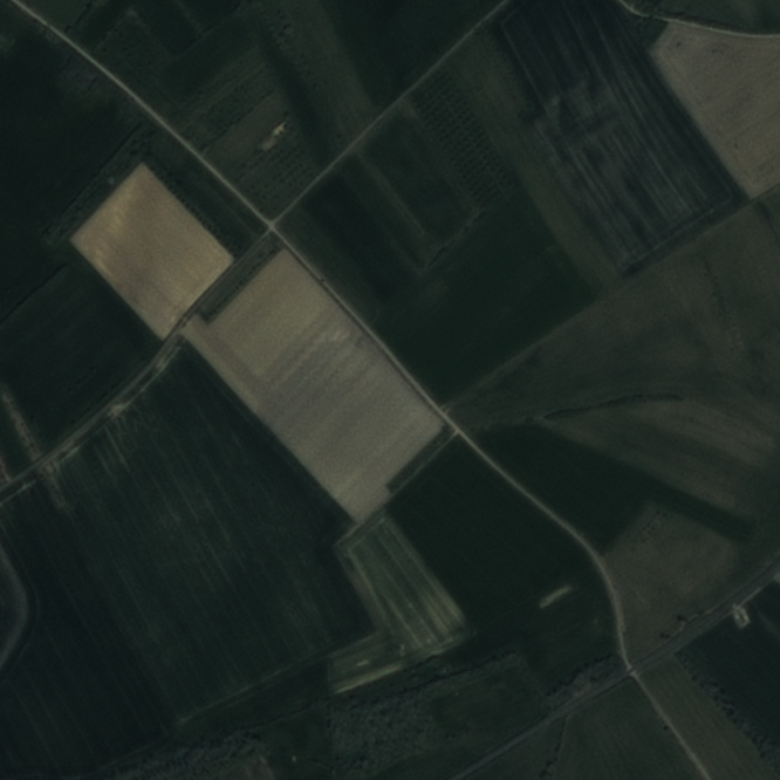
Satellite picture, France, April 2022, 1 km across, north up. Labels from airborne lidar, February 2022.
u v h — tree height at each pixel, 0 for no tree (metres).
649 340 0
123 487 0
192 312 0
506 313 0
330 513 0
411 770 0
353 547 0
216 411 0
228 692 0
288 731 0
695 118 0
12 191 0
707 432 0
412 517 0
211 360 0
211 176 0
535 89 0
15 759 0
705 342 0
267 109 0
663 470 0
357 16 0
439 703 0
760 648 0
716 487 0
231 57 0
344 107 0
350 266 0
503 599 0
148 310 0
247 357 0
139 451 0
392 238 0
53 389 0
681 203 0
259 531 0
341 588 0
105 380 0
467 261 0
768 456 0
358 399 0
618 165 0
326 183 0
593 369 0
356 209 0
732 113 0
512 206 0
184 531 0
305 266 0
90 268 0
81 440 0
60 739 0
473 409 0
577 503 0
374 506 0
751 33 0
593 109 0
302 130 0
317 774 0
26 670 0
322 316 0
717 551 0
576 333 0
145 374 0
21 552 0
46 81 0
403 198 0
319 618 0
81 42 6
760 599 0
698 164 0
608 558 0
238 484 0
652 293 0
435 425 0
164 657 0
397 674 0
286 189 0
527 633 0
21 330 0
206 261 0
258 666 0
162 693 0
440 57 0
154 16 0
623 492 0
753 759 0
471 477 0
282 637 0
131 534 0
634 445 0
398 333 0
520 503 0
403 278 0
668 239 0
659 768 0
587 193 0
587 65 0
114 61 0
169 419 0
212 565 0
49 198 0
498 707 0
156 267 0
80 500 0
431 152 0
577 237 0
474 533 0
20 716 0
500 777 0
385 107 0
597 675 7
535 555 0
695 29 0
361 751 6
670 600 0
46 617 0
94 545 0
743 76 0
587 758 0
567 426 0
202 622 0
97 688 0
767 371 0
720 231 0
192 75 0
